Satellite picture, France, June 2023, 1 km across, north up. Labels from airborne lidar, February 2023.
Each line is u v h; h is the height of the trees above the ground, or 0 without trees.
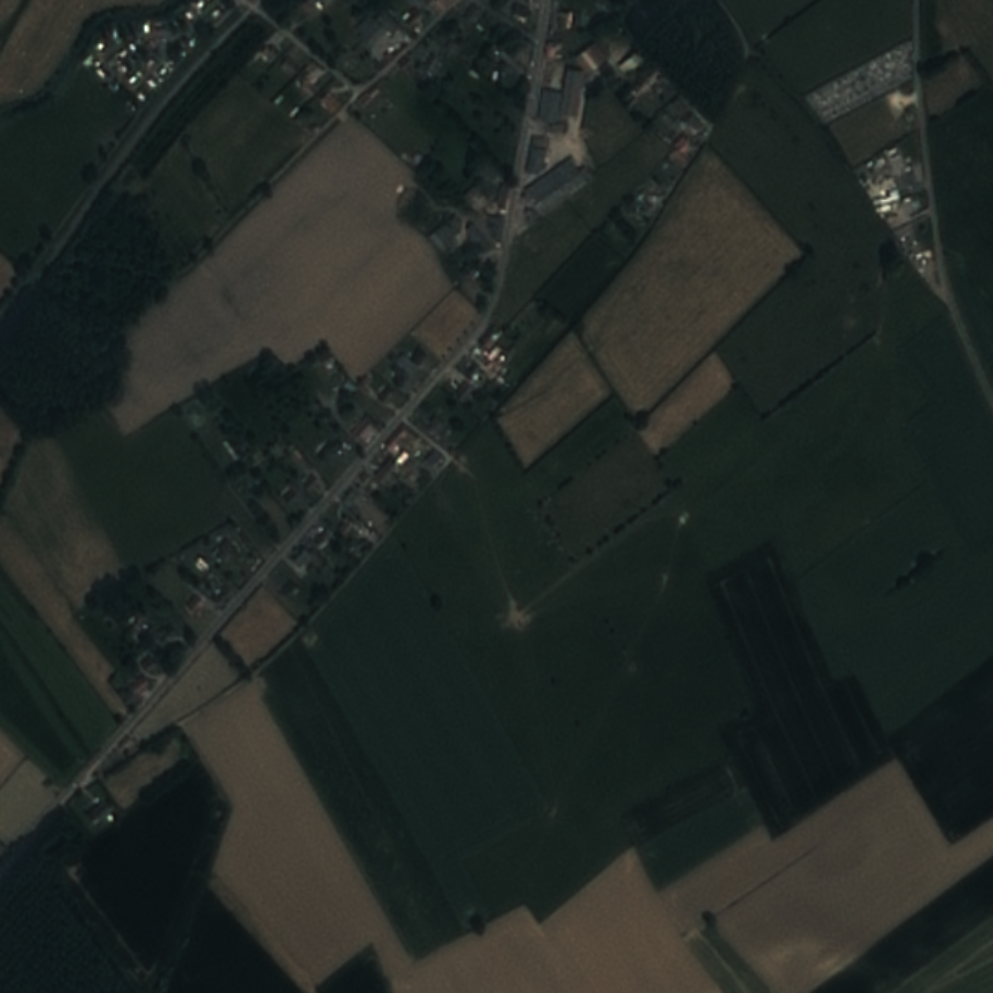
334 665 0
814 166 0
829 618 0
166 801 0
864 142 0
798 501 0
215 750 0
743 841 0
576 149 0
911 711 0
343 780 0
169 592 0
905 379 0
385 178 0
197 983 0
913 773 0
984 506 0
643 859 0
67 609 0
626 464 0
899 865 0
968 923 0
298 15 0
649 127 11
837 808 0
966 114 0
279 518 0
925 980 0
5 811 0
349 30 0
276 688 0
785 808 0
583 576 0
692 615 0
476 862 0
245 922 0
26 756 0
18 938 36
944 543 0
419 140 0
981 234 0
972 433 0
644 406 0
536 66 0
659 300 0
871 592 0
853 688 0
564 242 0
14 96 0
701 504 0
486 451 0
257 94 0
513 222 0
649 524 0
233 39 6
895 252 18
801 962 0
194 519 0
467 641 0
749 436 0
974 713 0
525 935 0
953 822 0
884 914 0
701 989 0
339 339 0
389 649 0
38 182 0
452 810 0
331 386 0
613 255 0
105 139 0
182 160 0
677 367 0
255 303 0
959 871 0
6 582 0
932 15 0
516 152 0
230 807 0
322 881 0
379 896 0
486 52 9
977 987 0
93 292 15
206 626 0
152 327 0
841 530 0
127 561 0
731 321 0
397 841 0
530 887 0
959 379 0
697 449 0
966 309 0
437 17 0
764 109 0
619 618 0
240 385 0
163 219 0
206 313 0
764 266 0
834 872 0
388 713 0
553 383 0
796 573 0
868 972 0
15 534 0
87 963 35
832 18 0
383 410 0
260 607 0
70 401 34
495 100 0
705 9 34
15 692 0
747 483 0
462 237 0
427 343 0
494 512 0
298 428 0
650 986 0
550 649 0
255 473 10
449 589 0
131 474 0
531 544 0
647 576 0
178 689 0
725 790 0
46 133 0
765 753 0
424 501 0
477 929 12
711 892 0
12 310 0
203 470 0
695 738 0
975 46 0
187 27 15
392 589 0
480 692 0
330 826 0
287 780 0
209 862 0
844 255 0
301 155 0
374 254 0
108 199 16
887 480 0
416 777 0
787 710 0
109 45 0
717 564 0
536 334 0
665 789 0
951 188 0
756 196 0
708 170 0
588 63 0
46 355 38
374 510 0
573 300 0
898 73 0
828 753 0
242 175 0
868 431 0
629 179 0
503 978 0
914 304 0
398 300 0
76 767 0
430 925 0
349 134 0
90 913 0
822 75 0
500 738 0
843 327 0
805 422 0
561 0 0
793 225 0
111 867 0
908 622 0
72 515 0
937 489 0
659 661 0
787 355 0
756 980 0
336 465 0
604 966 0
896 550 0
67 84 0
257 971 0
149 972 0
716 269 0
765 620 0
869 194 0
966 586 0
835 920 0
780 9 0
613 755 0
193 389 0
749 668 0
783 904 0
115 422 0
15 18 0
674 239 0
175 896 0
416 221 0
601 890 0
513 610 0
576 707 0
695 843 0
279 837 0
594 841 0
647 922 0
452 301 0
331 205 0
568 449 0
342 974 0
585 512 0
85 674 0
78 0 0
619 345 0
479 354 0
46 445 0
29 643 0
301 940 0
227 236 0
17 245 0
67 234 0
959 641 0
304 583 0
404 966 0
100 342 20
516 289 0
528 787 0
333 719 0
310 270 0
